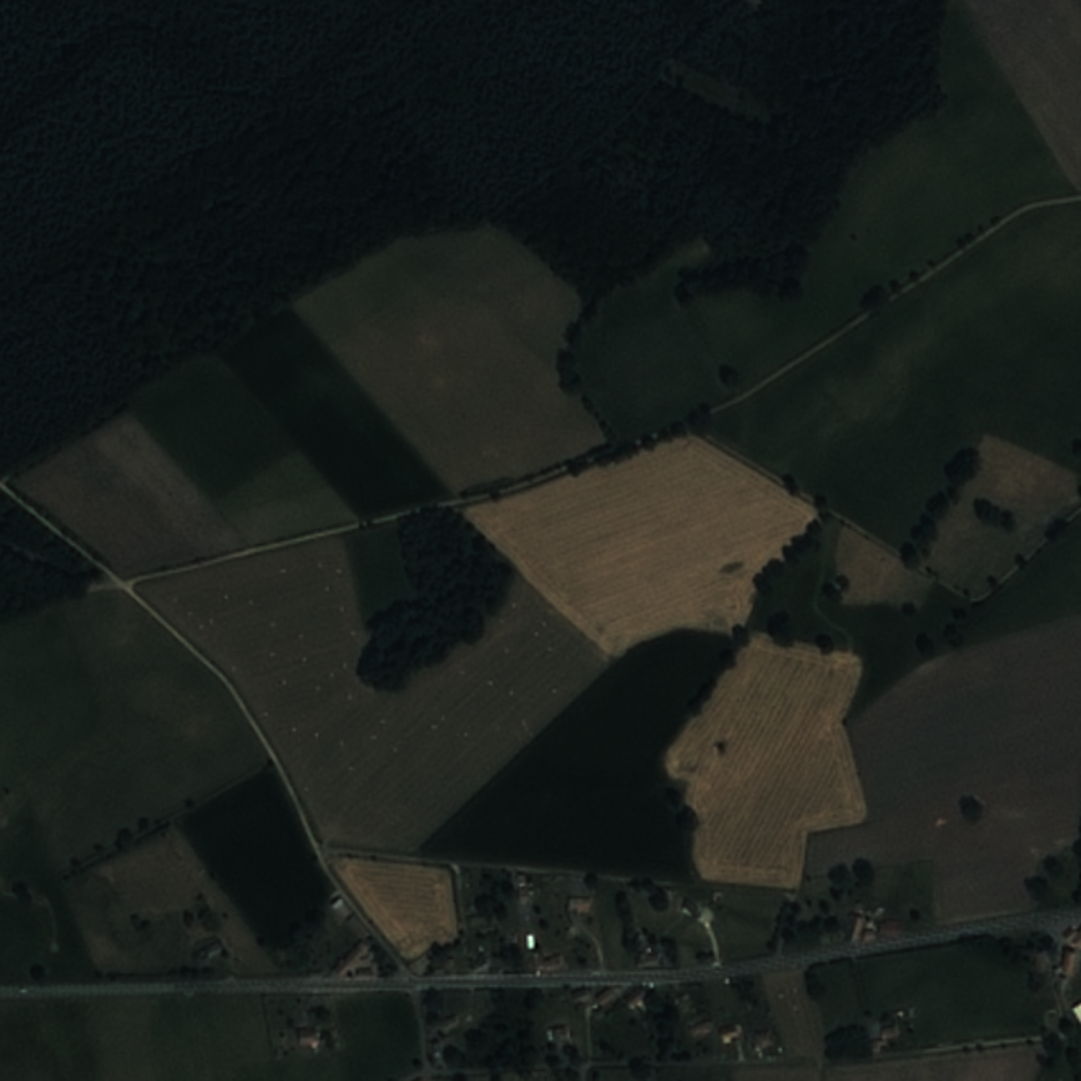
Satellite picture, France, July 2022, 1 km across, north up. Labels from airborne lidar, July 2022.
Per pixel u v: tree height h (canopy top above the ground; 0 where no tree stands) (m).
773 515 0
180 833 0
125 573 0
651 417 0
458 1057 14
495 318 0
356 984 0
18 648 0
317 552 0
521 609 0
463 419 0
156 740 0
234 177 16
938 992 0
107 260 22
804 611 0
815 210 21
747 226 27
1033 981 12
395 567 0
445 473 0
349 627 0
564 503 0
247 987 0
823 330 0
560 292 0
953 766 0
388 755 0
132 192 23
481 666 0
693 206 21
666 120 9
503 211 15
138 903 0
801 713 0
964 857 0
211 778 0
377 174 16
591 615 0
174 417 0
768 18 18
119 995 0
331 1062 0
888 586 0
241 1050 0
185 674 0
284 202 20
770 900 0
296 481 0
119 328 17
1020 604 0
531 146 24
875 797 0
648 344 0
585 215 16
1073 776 0
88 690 0
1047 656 0
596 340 0
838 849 0
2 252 23
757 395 0
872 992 0
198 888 0
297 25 11
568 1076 10
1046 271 0
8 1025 0
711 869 0
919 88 20
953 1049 0
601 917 0
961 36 0
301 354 0
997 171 0
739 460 0
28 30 24
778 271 9
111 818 0
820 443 0
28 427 20
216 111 23
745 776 0
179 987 0
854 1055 8
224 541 0
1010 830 0
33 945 0
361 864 0
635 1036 0
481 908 11
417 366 0
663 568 0
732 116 21
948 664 0
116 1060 0
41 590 23
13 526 12
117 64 10
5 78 22
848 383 0
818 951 0
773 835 0
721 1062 0
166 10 14
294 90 18
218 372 0
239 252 15
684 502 0
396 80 18
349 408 0
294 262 22
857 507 0
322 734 0
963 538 0
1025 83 0
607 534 0
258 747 0
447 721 0
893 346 0
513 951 15
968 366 0
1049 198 0
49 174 19
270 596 0
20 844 0
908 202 0
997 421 0
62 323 14
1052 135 0
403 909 0
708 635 0
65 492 0
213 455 0
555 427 0
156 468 0
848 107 24
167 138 12
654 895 13
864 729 0
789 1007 0
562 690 0
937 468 0
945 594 0
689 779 0
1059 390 0
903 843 0
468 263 0
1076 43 0
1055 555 0
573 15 14
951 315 0
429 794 0
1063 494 0
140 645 0
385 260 0
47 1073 0
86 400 17
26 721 0
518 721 0
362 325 0
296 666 0
